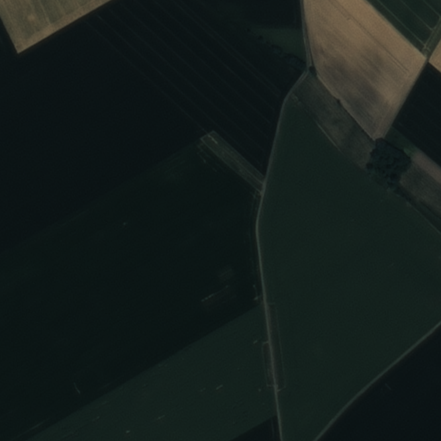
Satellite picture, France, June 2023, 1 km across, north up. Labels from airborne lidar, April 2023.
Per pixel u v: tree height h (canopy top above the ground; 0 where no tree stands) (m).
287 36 0
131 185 0
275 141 0
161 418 0
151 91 0
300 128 0
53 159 0
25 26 0
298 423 0
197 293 0
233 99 0
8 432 0
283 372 0
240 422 0
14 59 0
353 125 0
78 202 0
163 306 0
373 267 0
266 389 0
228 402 0
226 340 0
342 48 0
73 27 0
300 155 0
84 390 0
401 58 0
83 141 0
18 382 0
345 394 0
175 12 0
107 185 0
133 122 0
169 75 0
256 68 0
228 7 0
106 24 0
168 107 0
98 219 0
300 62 17
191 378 0
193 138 0
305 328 0
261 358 0
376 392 0
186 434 0
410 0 0
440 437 0
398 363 0
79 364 0
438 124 0
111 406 0
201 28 0
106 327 0
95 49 0
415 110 0
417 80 0
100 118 0
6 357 0
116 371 0
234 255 0
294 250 0
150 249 0
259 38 11
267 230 0
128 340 0
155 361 0
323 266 0
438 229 0
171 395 0
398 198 0
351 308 0
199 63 0
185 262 0
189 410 0
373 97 0
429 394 0
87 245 0
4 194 0
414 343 0
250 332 0
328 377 0
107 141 0
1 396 0
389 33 0
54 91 0
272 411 0
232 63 0
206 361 0
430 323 0
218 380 0
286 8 0
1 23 0
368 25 0
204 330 0
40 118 0
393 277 0
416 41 0
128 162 0
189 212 0
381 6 0
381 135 0
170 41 0
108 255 0
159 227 0
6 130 0
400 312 0
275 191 0
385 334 0
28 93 0
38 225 0
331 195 0
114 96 0
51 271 0
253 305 0
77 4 0
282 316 0
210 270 0
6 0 0
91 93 0
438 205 0
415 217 0
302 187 0
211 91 0
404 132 0
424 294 0
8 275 0
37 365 0
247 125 0
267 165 0
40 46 0
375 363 0
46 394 0
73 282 0
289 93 0
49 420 0
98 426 0
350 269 0
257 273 0
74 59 0
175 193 0
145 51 0
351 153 0
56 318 0
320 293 0
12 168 0
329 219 0
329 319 0
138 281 0
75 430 0
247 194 0
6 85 0
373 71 0
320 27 0
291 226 0
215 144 0
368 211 0
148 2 0
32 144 0
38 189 0
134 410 0
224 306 0
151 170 0
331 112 0
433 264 0
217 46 0
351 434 0
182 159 0
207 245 0
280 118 0
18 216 0
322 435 0
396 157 19
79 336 0
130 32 0
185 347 0
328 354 0
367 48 0
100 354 0
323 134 0
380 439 0
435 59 0
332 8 0
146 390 0
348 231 0
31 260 0
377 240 0
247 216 0
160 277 0
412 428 0
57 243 0
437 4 0
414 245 0
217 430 0
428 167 0
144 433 0
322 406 0
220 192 0
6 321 0
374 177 0
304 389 0
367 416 0
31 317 0
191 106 0
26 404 0
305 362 0
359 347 0
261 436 0
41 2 0
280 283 0
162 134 0
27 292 0
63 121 0
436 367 0
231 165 0
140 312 0
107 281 0
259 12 0
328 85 0
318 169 0
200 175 0
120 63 0
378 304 0
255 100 0
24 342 0
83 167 0
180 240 0
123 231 0
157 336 0
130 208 0
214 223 0
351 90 0
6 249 0
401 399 0
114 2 0
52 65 0
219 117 0
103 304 0
